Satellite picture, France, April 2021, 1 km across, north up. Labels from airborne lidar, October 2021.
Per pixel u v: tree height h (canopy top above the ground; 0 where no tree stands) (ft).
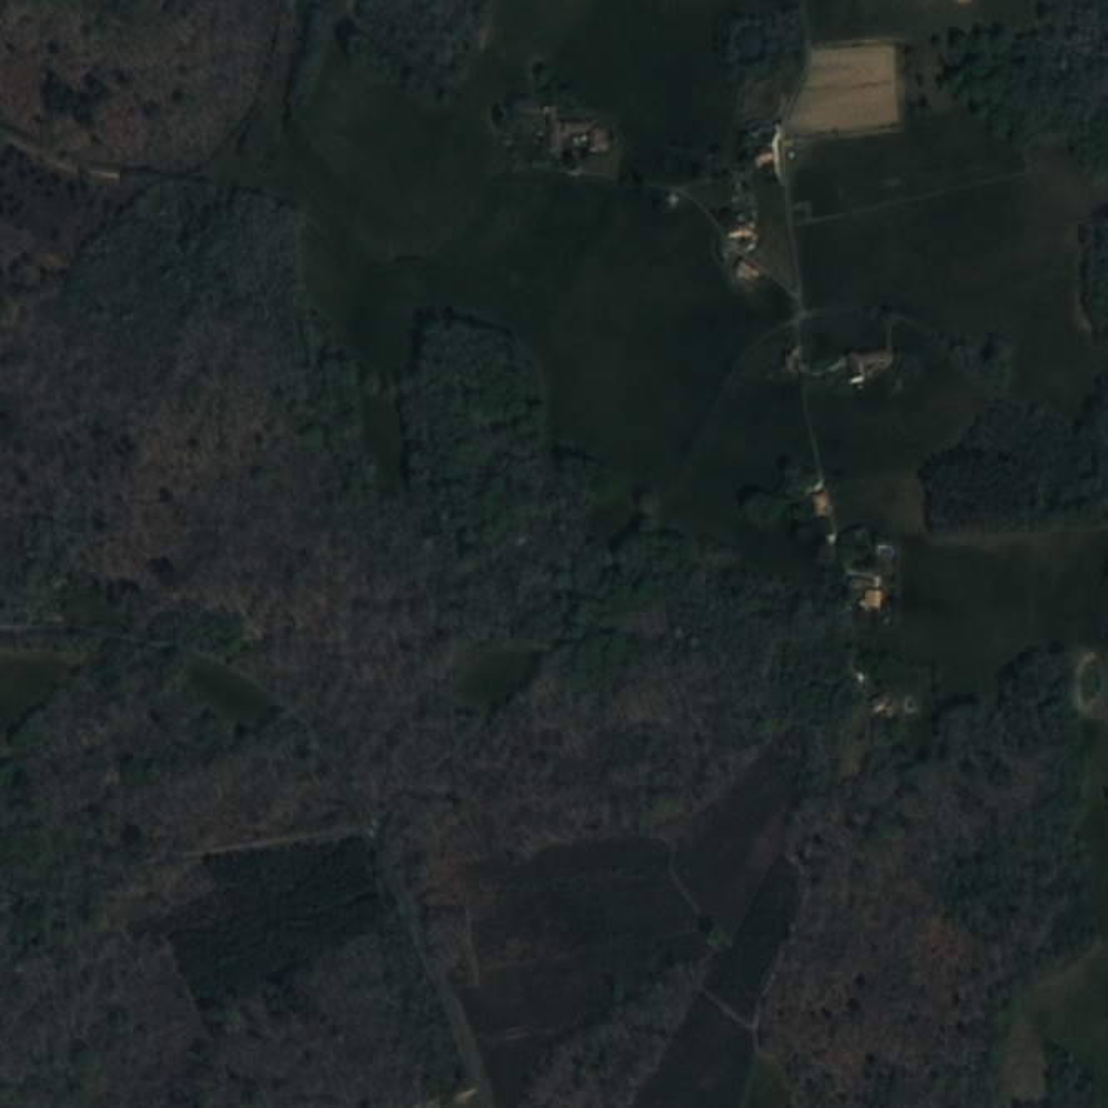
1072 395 0
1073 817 80
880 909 22
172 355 30
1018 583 0
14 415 28
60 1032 68
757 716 67
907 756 55
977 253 0
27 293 35
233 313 62
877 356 0
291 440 36
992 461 42
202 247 44
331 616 38
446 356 75
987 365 54
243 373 70
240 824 31
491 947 20
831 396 0
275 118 0
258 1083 44
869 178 0
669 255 0
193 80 55
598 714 42
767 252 0
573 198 0
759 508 68
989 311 0
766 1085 0
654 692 59
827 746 54
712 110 0
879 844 72
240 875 39
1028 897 80
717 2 0
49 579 37
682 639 51
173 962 22
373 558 47
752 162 23
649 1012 72
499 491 82
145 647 41
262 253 58
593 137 0
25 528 24
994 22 0
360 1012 55
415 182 0
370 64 68
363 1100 45
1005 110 62
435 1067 56
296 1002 82
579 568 53
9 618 74
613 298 0
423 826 68
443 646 52
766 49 31
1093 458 31
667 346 0
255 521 48
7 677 0
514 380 62
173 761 50
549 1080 45
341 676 44
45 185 37
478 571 75
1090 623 0
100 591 54
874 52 0
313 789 57
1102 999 0
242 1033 46
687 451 0
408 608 42
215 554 33
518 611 57
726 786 22
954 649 0
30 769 57
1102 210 0
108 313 50
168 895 37
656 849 18
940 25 0
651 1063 51
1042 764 80
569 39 0
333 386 84
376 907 38
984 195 0
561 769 43
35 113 28
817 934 57
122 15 51
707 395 0
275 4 19
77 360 63
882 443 0
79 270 57
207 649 60
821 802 60
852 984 25
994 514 95
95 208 35
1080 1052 0
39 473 52
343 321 0
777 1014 25
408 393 54
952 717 70
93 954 38
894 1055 32
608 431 0
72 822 48
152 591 23
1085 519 78
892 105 0
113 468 34
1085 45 58
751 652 52
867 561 31
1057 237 0
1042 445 27
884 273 0
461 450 74
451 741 48
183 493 47
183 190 63
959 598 0
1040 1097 0
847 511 0
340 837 56
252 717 0
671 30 0
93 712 43
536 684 65
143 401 35
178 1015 33
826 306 0
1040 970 70
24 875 69
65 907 50
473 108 0
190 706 64
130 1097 30
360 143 0
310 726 31
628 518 0
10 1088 57
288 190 0
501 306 0
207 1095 57
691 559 56
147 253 74
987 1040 73
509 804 43
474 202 0
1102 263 56
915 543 0
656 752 48
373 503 66
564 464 68
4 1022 57
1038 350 0
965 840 77
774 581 28
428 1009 56
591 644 64
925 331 0
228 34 49
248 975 40
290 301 65
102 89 69
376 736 48
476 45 34
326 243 23
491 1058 0
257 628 54
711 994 20
